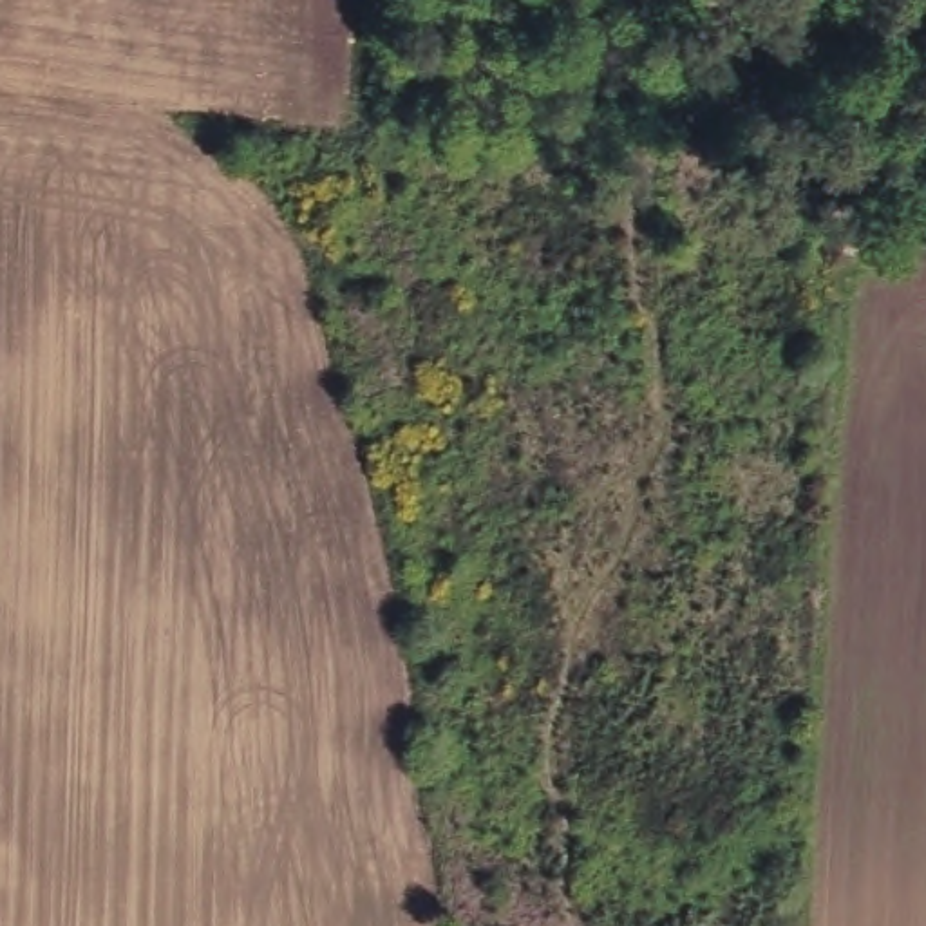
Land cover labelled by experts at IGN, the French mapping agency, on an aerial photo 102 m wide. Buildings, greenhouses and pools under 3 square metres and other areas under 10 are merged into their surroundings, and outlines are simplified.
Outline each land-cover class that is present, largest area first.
<instances>
[{"label":"agricultural land","instance_id":"1","mask_svg":"<svg viewBox=\"0 0 926 926\"><path fill-rule=\"evenodd\" d=\"M358 105L354 33L344 25L336 0H0V926H427L441 922L449 908L445 901L423 890L430 883V850L416 821L412 781L394 763V756L383 745V720L391 705L409 702L412 684L398 644L387 637L380 622V604L391 597V568L383 557L373 510V470H358V430L347 420V405H333V398L322 387V369L329 365L326 344L318 322L307 315V271L289 239V228L253 181L228 177L217 166V159H210L192 141L188 130L174 123V112H228L279 127L340 130L347 123V112ZM814 926H926V246L919 253V271L912 279L883 282H865L854 307L850 394L839 452V524L832 553L825 716L817 839Z\"/></svg>","mask_w":926,"mask_h":926},{"label":"herbaceous vegetation","instance_id":"2","mask_svg":"<svg viewBox=\"0 0 926 926\"><path fill-rule=\"evenodd\" d=\"M662 43L647 29L629 47L604 51L600 76L590 87L553 94L506 83L499 72L488 69L492 58L474 51V65L467 72L449 76V105L441 112H430L420 127L380 123L373 130L358 116V105L347 112V123L340 130L279 127L228 112H174V123L188 130L192 141L210 159H217V166L228 177L253 181L289 228V239L307 271V315L318 322L326 344L329 365L322 369V387L333 398V405H347V420L358 430V470H373V510L383 557L391 568V597L427 604L423 619L409 626V637L398 644L412 684L409 702L423 713V727L416 731L409 756L394 763L412 781L416 821L430 850V883L423 890L445 901L449 908L441 922L427 926H499V904L510 893H524L528 901H535L543 919L575 915L579 926H687V904L655 915L629 912L608 897L582 904L575 897V875L582 868L579 825L608 832L615 817L629 814L637 821V836L647 846H673V875L687 883L713 861L720 846L716 839L738 825L742 814L774 810L785 799V785L774 774L799 756L796 720L803 709L825 716L832 553L839 524V452L850 394L854 307L865 282H883L868 260L857 257L843 260L836 246H825L821 232L810 235L807 246H785L774 232H756L752 217H742L745 206L734 203V192H742L745 184V174L709 170L698 156L684 148L687 137L676 127L669 130L658 116V109L669 98L647 94L637 83L640 69L651 61V54ZM477 130L528 137L535 141L539 156L524 163L514 177H503L492 159L477 163V170L467 177H449L445 141ZM651 206L673 213L684 224V246L669 253L637 250L633 217ZM358 275L387 279V289L373 297L369 307L340 293V282ZM637 311H651L658 322L662 398L666 412L673 416L666 496L651 499V477H637V503L655 532L644 539L633 561H622L619 593L600 608L597 619V644L579 666H572L568 691L561 702V709L572 716V763L553 774L557 799L550 803L543 799L546 781L532 774L539 767V716L546 709V698H539L535 687L539 680L557 676L561 647L553 640L535 644V626H543L553 615V575L546 568V546L575 524L579 503L575 488L564 481L561 456H528L521 449L517 412H532L535 420L546 409H575L579 430L611 405L615 416H622L626 391L644 373L640 329L633 318ZM796 322L817 336L814 354L803 369H789L781 358V336ZM799 412L814 416L817 427L807 434V456L799 463H785L792 420ZM781 854L760 850L752 857V883L723 897V915L716 926H814L817 839L807 843L803 879L785 897H778Z\"/></svg>","mask_w":926,"mask_h":926},{"label":"coniferous trees","instance_id":"3","mask_svg":"<svg viewBox=\"0 0 926 926\"><path fill-rule=\"evenodd\" d=\"M575 0H336L344 25L354 33L358 105V116L373 130L380 123L420 127L430 112H441L449 105V76L467 72L474 65V51L492 58L532 61L553 40V33H575ZM821 0H600L597 29L604 51L629 47L647 29L662 43L651 54V61L676 58L684 87L669 98L658 109V116L669 130L676 127L687 137L684 148L698 156L709 170L745 174V184L742 192H734V203L745 206L742 217H752L756 232H774L785 246H807L810 235L821 232L825 246H836L843 260L857 257L850 210L868 199L897 203V163L875 166L857 152V145H879L883 137L915 134L922 127V112H904L893 101L883 119L846 112L821 137L810 134L817 123V80L832 76L850 90L865 72H890L904 83L908 98L926 101V0H865L857 18L814 22Z\"/></svg>","mask_w":926,"mask_h":926},{"label":"bare soil","instance_id":"4","mask_svg":"<svg viewBox=\"0 0 926 926\"><path fill-rule=\"evenodd\" d=\"M633 318L640 329L644 373L626 391L622 416H615L611 405L579 430L575 409H546L535 420L532 412H517L521 449L528 456H561L564 481L575 488L579 503L575 524L546 546V568L553 575V615L543 626H535V644L553 640L561 647L557 676L539 680L535 687L539 698H546V709L539 716V767L532 774L546 781L543 799L550 803L557 799L553 774L572 763V716L561 709V702L568 691L572 666H579L597 644V619L600 608L619 593L622 561H633L644 539L655 532L637 503V477H651V499L666 496L673 416L666 412L662 398L658 322L651 311H637ZM499 926H579L575 915L543 919L535 901H528L524 893H510L499 904Z\"/></svg>","mask_w":926,"mask_h":926},{"label":"brushwood","instance_id":"5","mask_svg":"<svg viewBox=\"0 0 926 926\"><path fill-rule=\"evenodd\" d=\"M637 250L669 253L684 246V224L673 213L651 206L633 217ZM387 289V279L358 275L340 282V293L369 307L373 297ZM817 336L796 322L781 336V358L789 369H803L814 354ZM817 427L814 416L799 412L792 420L785 463H799L807 456V434ZM427 604L391 597L380 604V622L387 637L398 644L409 637V626L423 619ZM423 727V713L409 702L391 705L383 720V745L394 756V763L409 756L416 731ZM799 756L774 774L785 785V799L774 810L742 814L738 825L716 839L720 846L713 861L687 883L673 875V846H647L637 836V821L629 814L615 817L608 832L579 825L582 868L575 875V897L582 904L608 897L629 912L655 915L687 904V926H716L723 915V897L752 883V857L760 850L781 854L778 897H785L803 879L807 843L817 839L825 716L803 709L796 720Z\"/></svg>","mask_w":926,"mask_h":926},{"label":"deciduous trees","instance_id":"6","mask_svg":"<svg viewBox=\"0 0 926 926\"><path fill-rule=\"evenodd\" d=\"M575 33H553V40L532 61L492 58L488 69L499 72L506 83L553 94L590 87L600 76L604 51L597 29L600 0H575ZM865 0H821L814 22L857 18ZM637 83L647 94L669 98L684 87L676 58L651 61L640 69ZM893 101L904 112H922V127L915 134L883 137L879 145H857V152L875 166L897 163V203L868 199L850 210L857 257L868 260L883 282L912 279L919 271V253L926 246V101L908 98L904 83L890 72H865L850 90L832 76L817 80V123L810 134L821 137L846 112L883 119ZM449 177H467L477 170V163L492 159L503 177H514L524 163L539 156L535 141L528 137L477 130L445 141Z\"/></svg>","mask_w":926,"mask_h":926}]
</instances>
